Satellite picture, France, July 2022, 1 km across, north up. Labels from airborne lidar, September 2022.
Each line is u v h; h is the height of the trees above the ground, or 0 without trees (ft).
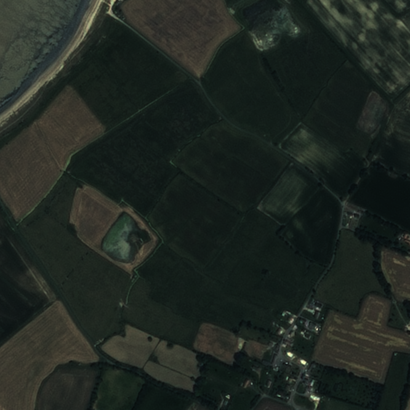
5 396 0
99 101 0
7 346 0
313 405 0
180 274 0
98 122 0
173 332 0
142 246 0
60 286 0
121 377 0
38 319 0
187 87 0
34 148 0
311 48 0
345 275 0
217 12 0
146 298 0
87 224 0
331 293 0
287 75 0
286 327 0
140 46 0
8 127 0
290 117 0
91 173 0
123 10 0
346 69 0
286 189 0
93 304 0
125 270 0
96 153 0
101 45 0
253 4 0
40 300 0
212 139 0
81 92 0
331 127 0
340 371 38
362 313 0
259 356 0
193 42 0
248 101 0
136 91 0
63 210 0
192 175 0
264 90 0
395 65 0
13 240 0
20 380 0
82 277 0
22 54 0
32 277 0
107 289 0
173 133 0
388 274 0
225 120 0
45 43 0
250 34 0
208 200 0
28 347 0
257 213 0
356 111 0
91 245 0
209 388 0
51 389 0
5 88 0
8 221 0
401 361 0
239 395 0
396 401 0
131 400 0
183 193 0
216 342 0
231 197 0
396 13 0
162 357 0
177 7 0
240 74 0
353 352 0
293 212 0
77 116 0
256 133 0
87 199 0
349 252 0
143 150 0
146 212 0
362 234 40
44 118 0
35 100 0
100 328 0
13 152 0
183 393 23
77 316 0
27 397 0
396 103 0
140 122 0
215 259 0
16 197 0
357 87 0
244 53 0
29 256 0
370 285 0
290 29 0
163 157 0
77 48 0
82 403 0
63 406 0
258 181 0
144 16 0
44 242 0
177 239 0
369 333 0
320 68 0
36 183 0
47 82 0
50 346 0
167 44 0
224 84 0
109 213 0
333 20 0
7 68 0
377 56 0
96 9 0
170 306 0
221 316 0
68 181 0
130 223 0
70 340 0
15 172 0
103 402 0
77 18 0
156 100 0
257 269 0
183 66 0
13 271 0
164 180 0
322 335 0
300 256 31
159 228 0
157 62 0
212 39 0
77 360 0
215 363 22
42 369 0
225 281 0
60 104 0
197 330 0
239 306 0
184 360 0
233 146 0
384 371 0
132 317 0
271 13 0
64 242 0
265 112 0
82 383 0
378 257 76
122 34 0
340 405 0
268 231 0
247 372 26
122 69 0
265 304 0
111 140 0
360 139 0
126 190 0
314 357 0
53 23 0
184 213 0
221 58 0
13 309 0
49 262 0
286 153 0
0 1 0
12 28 0
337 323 0
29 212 0
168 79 0
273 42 0
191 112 0
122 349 0
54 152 0
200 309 0
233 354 0
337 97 0
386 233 0
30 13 0
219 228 0
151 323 0
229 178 0
